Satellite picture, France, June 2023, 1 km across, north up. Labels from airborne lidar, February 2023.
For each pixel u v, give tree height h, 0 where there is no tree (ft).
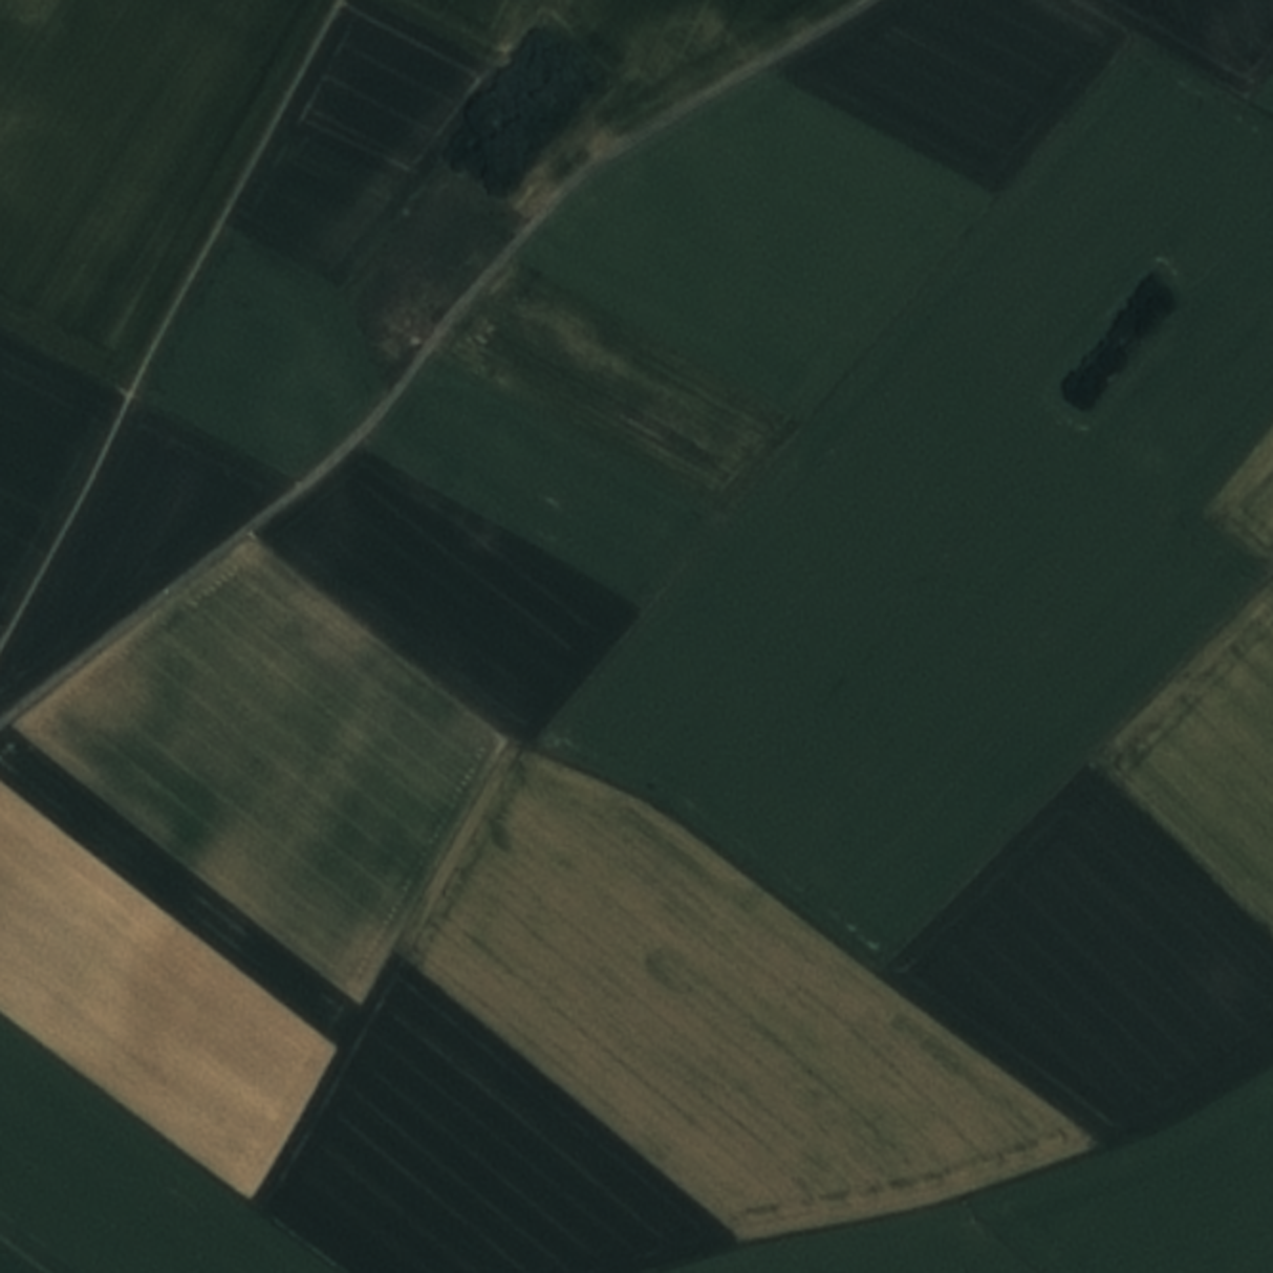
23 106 0
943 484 0
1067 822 0
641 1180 0
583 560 0
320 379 0
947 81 0
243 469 0
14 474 0
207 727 0
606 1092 0
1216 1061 0
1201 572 0
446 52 0
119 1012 0
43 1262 0
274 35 0
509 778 0
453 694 0
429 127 0
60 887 0
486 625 0
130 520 0
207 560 0
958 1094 0
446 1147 0
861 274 0
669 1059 0
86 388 0
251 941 0
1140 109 0
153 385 0
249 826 0
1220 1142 0
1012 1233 0
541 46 58
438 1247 0
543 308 0
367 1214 0
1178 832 0
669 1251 0
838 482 0
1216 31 0
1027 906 0
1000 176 0
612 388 0
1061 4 0
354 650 0
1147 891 0
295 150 0
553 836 0
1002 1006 0
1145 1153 0
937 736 0
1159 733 0
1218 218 0
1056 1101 0
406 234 0
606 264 0
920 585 0
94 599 0
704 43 0
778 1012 0
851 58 0
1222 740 0
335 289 0
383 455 0
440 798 0
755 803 0
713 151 0
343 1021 0
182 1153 0
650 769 0
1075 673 0
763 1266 0
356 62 0
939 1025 0
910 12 0
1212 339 0
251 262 0
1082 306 0
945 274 0
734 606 0
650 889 0
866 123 0
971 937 0
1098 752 0
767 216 0
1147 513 0
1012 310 0
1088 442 0
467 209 0
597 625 0
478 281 0
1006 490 0
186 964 0
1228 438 0
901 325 0
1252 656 0
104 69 0
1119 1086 0
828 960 0
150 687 0
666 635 0
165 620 0
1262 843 0
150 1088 0
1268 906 0
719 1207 0
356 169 0
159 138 0
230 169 0
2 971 0
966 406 0
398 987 0
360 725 0
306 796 0
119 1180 0
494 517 0
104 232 0
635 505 0
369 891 0
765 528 0
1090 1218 0
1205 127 0
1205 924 0
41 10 0
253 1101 0
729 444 0
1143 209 0
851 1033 0
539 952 0
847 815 0
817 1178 0
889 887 0
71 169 0
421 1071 0
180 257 0
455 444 0
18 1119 0
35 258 0
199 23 0
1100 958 0
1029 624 0
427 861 0
